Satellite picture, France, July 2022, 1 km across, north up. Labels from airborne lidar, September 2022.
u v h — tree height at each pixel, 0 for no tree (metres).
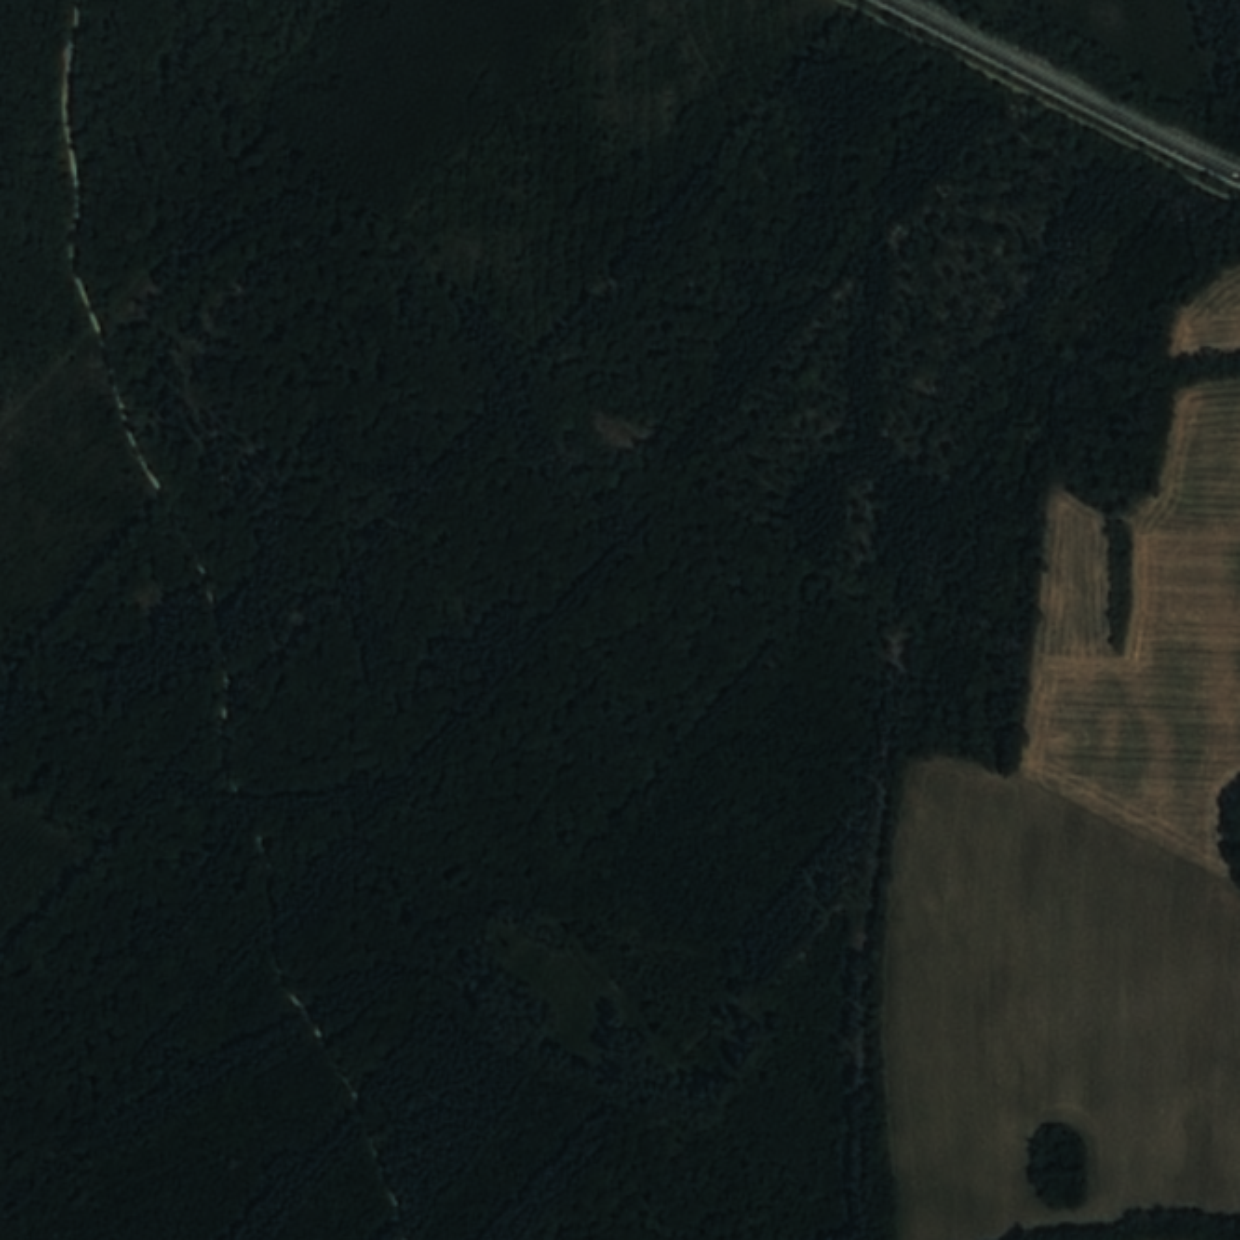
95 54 14
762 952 20
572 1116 13
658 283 16
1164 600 0
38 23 16
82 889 20
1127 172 16
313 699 19
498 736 23
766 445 18
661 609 19
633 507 15
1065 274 16
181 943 18
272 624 13
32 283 15
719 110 8
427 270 17
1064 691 0
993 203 20
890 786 19
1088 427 26
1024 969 0
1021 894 0
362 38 8
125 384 19
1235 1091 0
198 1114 11
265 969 11
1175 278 6
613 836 21
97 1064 25
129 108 16
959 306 16
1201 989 0
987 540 14
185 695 20
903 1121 0
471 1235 16
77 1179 15
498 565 19
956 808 0
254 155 25
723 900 17
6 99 16
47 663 19
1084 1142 15
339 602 14
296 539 18
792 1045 7
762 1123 8
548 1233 23
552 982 0
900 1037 0
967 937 0
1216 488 0
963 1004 0
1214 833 0
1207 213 15
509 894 22
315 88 7
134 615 21
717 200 16
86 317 14
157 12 17
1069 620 0
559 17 10
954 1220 0
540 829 25
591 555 21
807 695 11
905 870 0
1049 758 0
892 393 17
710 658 21
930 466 18
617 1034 34
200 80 19
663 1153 17
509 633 26
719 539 21
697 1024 7
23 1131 20
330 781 19
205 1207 14
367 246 19
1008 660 14
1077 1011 0
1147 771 0
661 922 15
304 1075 14
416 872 22
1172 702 0
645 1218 20
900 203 18
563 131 12
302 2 7
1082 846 0
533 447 26
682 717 19
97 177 17
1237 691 0
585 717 25
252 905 19
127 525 14
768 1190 7
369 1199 12
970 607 14
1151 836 0
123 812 20
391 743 20
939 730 23
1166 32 0
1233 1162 0
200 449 14
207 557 25
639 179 9
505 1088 24
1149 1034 0
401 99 11
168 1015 19
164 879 21
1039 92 7
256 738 19
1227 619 0
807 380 21
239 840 19
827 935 6
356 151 10
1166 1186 0
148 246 17
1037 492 9
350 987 21
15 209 14
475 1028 18
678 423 20
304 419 17
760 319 19
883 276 22
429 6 9
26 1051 19
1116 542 12
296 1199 21
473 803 26
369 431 21
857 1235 24
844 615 11
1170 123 13
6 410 14
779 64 7
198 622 24
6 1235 14
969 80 15
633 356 15
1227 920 0
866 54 17
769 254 15
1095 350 26
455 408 18
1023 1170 0
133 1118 18
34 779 10
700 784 15
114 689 21
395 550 17
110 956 20
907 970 0
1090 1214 0
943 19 0
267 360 23
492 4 10
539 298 8
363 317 23
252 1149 12
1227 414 0
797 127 18
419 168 9
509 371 24
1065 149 21
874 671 12
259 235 20
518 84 9
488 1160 12
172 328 11
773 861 15
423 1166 25
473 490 20
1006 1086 0
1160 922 0
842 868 20
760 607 18
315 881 23
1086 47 15
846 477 19
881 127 17
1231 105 19
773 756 16
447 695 19
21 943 20
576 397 17
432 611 17
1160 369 16
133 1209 11
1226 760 0
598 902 11
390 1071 22
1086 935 0
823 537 19
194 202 19
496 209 10
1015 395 8
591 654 22
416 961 21
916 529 20
